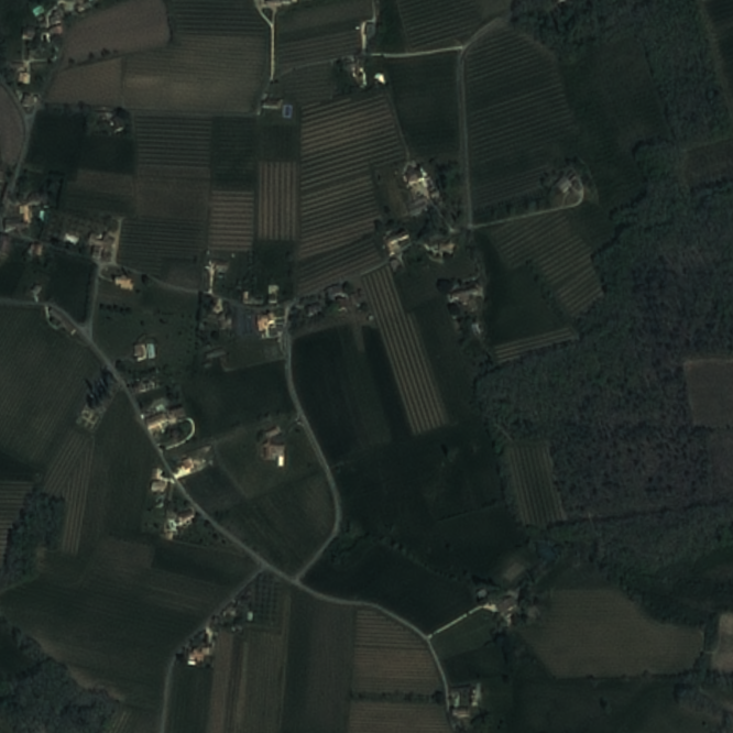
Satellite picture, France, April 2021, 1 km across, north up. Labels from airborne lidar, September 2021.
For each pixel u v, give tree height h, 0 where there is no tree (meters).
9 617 0
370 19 0
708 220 20
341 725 0
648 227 16
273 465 0
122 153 0
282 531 0
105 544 0
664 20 20
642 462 8
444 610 0
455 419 0
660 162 19
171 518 0
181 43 0
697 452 6
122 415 0
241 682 0
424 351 0
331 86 0
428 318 0
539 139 0
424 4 0
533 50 0
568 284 0
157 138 0
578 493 16
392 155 0
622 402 11
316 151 0
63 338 0
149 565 0
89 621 0
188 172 0
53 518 20
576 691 0
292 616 0
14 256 0
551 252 0
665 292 19
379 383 0
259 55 0
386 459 0
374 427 0
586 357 16
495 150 0
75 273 0
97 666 0
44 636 0
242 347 0
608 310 10
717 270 16
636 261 17
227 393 0
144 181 0
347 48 0
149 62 0
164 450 9
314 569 0
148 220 0
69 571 0
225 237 0
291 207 0
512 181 0
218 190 0
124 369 8
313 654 0
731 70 0
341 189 0
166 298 0
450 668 0
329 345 0
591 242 0
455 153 0
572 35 25
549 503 0
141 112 0
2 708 18
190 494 0
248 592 6
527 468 0
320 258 0
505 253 0
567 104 0
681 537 24
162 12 0
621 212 11
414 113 0
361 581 0
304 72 0
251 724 0
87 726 16
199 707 0
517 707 0
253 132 0
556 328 0
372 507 0
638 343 16
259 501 0
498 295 0
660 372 18
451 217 15
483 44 0
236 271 0
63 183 7
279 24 0
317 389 0
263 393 0
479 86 0
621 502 12
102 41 0
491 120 0
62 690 23
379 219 0
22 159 0
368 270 0
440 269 0
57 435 0
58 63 10
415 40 0
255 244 0
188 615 0
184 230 0
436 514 0
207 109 0
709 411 0
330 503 0
